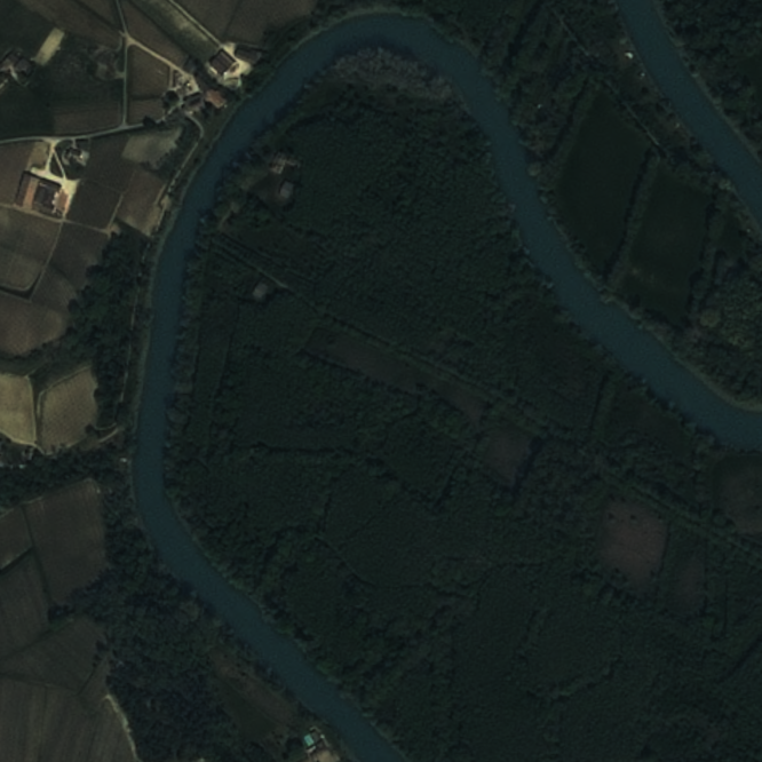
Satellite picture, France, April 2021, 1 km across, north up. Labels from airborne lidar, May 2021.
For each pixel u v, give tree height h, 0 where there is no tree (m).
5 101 0
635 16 0
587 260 13
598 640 15
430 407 14
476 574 16
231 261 14
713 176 15
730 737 6
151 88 0
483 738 18
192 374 15
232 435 13
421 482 10
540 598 14
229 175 16
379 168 12
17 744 0
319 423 10
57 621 18
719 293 20
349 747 0
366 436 12
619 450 10
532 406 17
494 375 15
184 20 0
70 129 0
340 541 15
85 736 0
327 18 7
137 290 25
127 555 20
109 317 15
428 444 8
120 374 22
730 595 12
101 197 0
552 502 15
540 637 15
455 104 16
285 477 16
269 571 20
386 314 13
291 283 10
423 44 0
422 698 14
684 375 0
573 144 9
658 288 0
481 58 0
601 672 16
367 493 18
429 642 21
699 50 12
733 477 0
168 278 0
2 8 0
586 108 20
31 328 0
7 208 0
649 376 0
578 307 0
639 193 12
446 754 18
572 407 12
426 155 12
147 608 27
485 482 12
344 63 25
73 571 0
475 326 14
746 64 0
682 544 6
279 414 14
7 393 0
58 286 0
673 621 13
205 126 0
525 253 7
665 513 14
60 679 0
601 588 10
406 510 16
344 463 18
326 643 16
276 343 15
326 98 0
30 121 0
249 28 0
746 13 21
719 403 0
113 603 15
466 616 14
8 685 0
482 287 14
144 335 20
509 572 13
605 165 0
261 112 0
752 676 14
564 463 31
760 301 24
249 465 16
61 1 0
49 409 0
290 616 20
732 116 16
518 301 6
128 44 0
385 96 0
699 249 0
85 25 0
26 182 0
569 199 0
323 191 13
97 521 0
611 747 15
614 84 19
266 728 0
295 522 15
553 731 17
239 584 23
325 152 15
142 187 0
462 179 14
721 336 15
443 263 12
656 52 0
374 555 16
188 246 0
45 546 0
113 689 13
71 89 0
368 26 0
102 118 0
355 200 11
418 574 17
